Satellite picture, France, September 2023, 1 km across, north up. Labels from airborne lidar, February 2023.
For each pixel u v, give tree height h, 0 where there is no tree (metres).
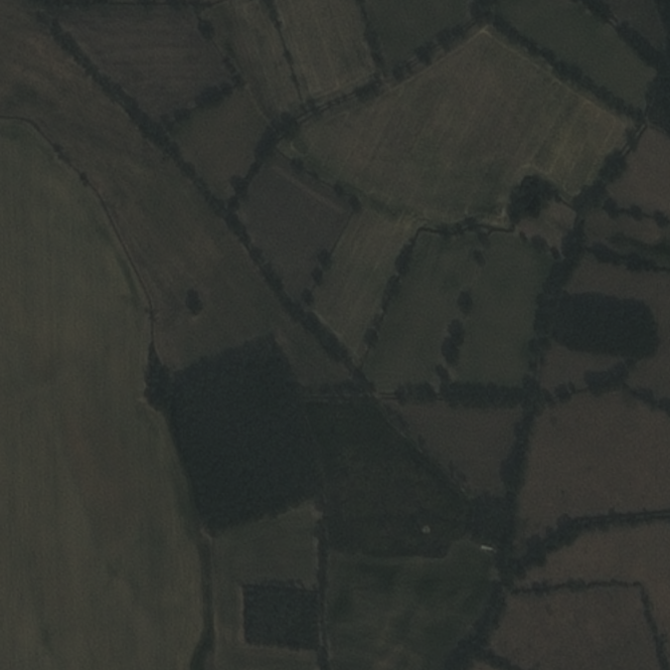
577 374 0
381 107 0
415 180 0
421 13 0
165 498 0
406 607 0
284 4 0
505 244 0
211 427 28
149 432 0
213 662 0
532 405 23
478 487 0
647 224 0
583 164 0
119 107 0
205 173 0
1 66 0
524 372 0
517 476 22
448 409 0
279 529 0
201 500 16
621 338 21
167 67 0
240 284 0
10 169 0
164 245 0
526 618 0
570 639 0
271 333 0
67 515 0
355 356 0
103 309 0
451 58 0
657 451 0
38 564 0
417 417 0
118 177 0
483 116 0
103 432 0
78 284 0
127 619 0
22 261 0
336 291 0
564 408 0
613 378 18
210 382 23
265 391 24
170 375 17
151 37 0
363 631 0
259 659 0
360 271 0
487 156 0
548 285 12
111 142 0
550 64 18
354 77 0
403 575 0
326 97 0
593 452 0
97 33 0
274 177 0
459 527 0
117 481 0
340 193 15
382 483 0
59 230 0
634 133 11
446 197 0
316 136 0
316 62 0
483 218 0
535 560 20
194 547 0
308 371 0
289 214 0
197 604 0
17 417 0
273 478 29
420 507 0
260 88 0
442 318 0
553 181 0
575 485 0
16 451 0
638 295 0
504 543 22
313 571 0
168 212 0
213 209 14
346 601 0
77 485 0
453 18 0
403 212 0
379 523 0
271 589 17
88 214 0
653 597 0
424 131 0
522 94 0
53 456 0
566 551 0
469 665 16
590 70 0
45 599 0
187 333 0
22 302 0
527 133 0
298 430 28
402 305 0
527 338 0
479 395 19
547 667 0
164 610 0
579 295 0
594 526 10
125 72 0
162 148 16
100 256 0
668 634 0
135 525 0
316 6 0
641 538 0
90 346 0
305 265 0
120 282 0
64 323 0
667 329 0
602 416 0
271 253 0
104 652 0
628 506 0
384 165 0
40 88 0
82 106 0
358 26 0
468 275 0
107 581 0
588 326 20
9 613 0
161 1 0
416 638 0
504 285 0
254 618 16
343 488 0
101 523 0
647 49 19
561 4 0
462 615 0
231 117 0
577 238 14
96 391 0
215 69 0
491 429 0
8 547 0
